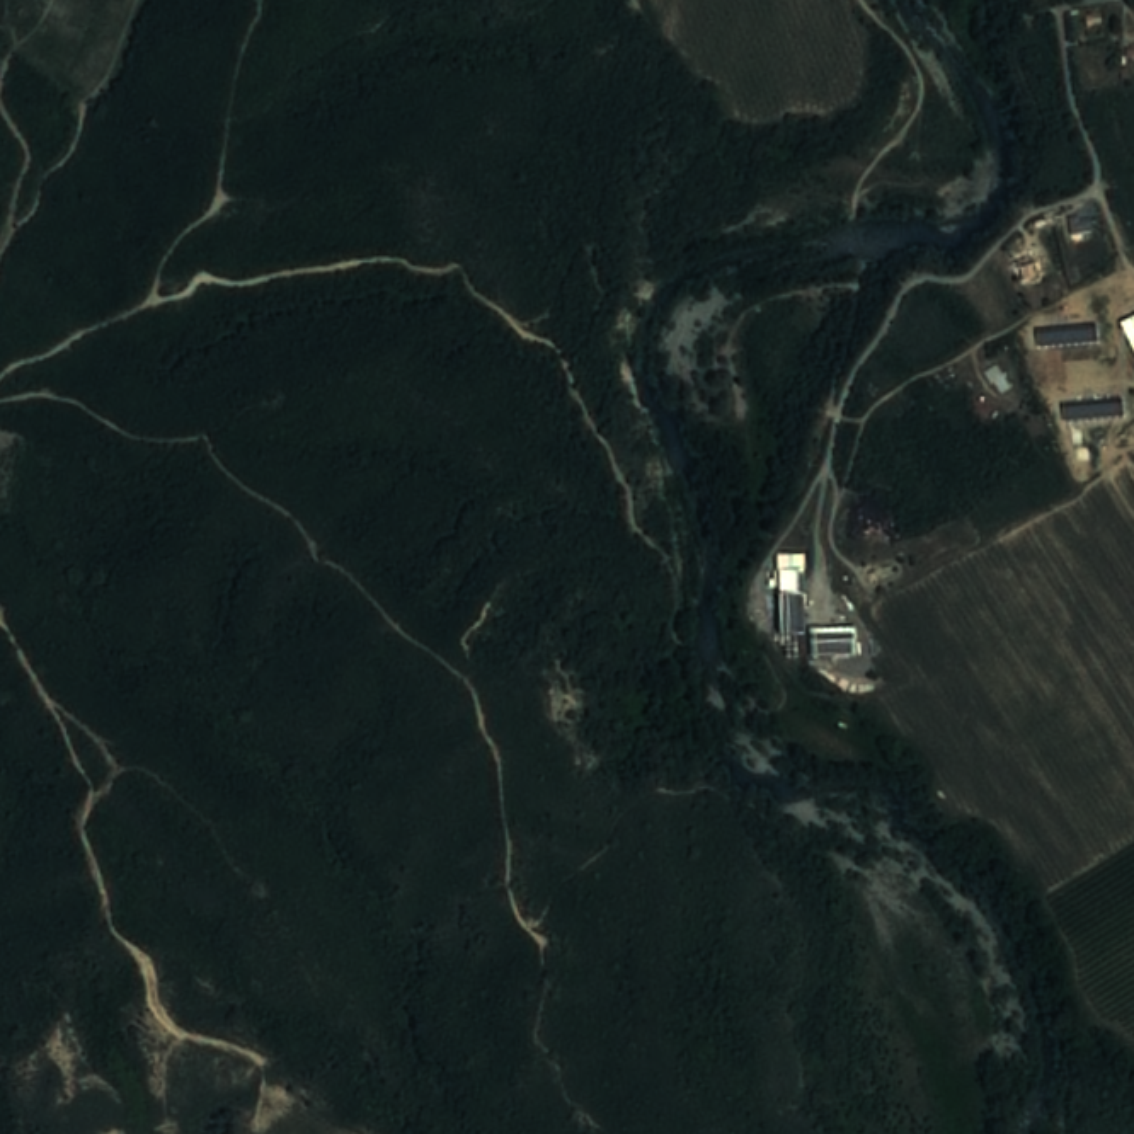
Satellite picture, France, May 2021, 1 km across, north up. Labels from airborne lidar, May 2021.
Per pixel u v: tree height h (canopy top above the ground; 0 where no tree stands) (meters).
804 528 0
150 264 6
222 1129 10
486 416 7
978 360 0
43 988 6
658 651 17
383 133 6
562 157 8
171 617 7
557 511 16
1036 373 0
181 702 10
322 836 12
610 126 9
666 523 12
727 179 10
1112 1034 10
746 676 7
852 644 0
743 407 0
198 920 8
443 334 8
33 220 7
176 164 7
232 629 12
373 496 8
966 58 7
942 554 0
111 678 7
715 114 9
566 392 14
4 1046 5
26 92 6
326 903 6
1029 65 8
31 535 9
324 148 7
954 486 6
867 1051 6
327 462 7
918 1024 0
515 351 11
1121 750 0
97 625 9
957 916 8
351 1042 7
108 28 0
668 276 15
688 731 18
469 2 5
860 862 11
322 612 9
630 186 7
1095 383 0
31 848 6
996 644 0
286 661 5
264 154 6
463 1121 10
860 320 8
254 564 11
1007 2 7
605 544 12
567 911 6
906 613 0
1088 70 0
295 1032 7
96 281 6
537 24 8
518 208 7
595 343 8
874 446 6
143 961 0
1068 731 0
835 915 12
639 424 14
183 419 6
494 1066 5
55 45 0
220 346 8
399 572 7
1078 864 0
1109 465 0
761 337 5
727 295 7
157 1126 0
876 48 7
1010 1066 11
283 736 6
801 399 9
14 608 5
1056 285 0
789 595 0
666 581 9
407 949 11
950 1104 0
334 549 6
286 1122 0
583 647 17
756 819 12
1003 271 0
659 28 0
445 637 6
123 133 7
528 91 7
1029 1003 10
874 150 0
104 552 7
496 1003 8
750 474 22
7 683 6
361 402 6
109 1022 7
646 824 8
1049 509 0
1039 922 17
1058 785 0
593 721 7
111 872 6
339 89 9
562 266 15
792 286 8
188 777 7
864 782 23
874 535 0
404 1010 9
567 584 12
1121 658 0
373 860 6
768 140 12
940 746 0
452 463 9
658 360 10
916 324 0
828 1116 7
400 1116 12
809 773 25
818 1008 10
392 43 7
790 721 0
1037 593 0
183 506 11
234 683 7
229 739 10
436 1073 14
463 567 9
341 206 6
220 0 6
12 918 6
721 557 12
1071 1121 7
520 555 6
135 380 7
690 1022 10
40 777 6
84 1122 0
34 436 6
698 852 11
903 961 0
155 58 6
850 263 20
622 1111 7
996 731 0
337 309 10
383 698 6
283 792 14
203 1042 0
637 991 5
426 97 6
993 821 0
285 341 6
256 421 6
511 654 7
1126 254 0
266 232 8
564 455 9
